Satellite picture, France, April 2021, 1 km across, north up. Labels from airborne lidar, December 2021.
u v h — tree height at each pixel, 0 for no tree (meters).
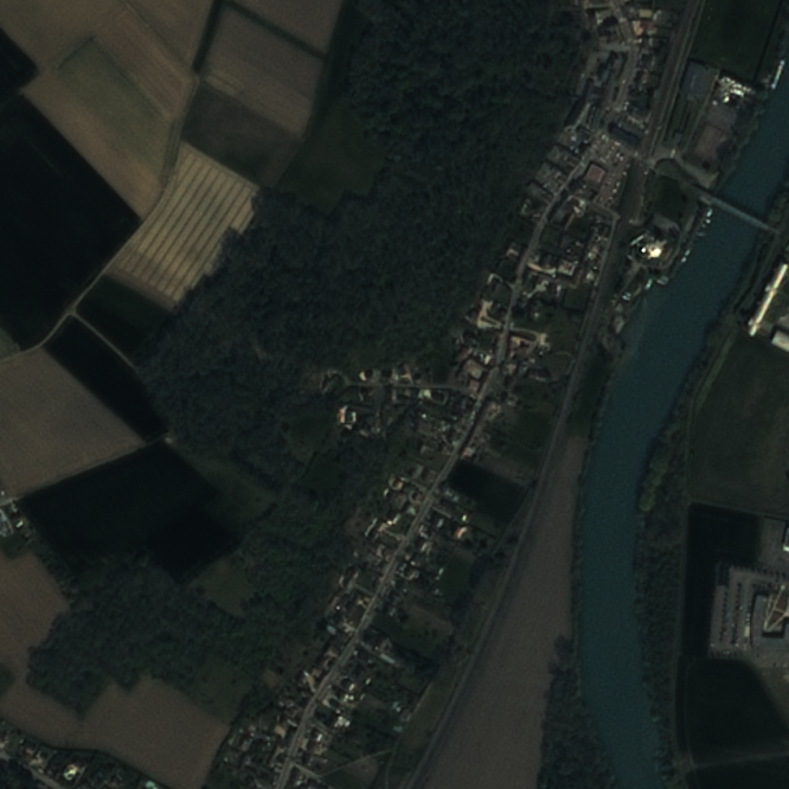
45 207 0
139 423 0
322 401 22
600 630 0
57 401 0
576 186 0
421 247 27
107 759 6
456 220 17
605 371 0
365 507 13
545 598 0
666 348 0
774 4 0
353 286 27
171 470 0
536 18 23
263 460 25
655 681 7
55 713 0
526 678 0
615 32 0
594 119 0
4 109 0
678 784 19
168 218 0
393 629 0
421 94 20
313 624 7
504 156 18
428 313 18
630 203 0
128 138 0
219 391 32
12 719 0
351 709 0
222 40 0
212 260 0
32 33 0
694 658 0
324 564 21
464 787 0
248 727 0
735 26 0
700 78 0
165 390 27
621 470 0
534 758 0
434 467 0
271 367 29
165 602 9
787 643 0
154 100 0
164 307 0
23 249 0
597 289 0
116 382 0
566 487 0
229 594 0
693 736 0
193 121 0
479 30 30
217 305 28
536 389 0
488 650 0
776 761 0
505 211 17
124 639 28
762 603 0
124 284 0
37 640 0
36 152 0
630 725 0
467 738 0
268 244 21
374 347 23
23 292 0
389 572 0
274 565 11
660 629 8
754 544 0
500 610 0
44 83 0
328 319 23
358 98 17
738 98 7
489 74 24
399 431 17
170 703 0
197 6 0
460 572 0
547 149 9
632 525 0
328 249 30
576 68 11
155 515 0
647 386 0
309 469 8
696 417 0
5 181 0
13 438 0
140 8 0
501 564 8
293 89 0
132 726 0
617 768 0
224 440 30
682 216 8
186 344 32
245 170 0
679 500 10
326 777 0
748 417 0
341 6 0
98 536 0
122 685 19
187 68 0
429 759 0
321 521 14
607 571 0
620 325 0
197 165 0
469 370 0
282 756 0
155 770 0
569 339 0
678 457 9
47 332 0
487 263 16
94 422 0
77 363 0
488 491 0
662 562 8
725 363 0
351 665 0
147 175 0
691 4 0
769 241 6
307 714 0
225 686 0
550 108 13
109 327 0
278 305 31
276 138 0
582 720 21
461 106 34
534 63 24
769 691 0
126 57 0
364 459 15
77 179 0
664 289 0
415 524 0
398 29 19
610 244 0
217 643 19
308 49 0
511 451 0
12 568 0
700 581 0
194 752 0
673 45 0
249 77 0
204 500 0
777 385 0
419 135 18
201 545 0
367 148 0
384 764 0
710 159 0
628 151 0
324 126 0
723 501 0
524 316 10
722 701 0
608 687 0
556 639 0
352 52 12
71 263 0
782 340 0
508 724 0
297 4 0
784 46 8
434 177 31
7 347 0
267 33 0
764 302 0
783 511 0
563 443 0
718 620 0
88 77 0
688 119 6
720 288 0
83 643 21
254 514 0
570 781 31
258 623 15
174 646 20
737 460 0
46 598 0
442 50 7
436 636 10
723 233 0
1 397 0
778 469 0
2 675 0
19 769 13
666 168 0
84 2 0
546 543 0
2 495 0
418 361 6
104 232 0
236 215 0
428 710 0
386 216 28
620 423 0
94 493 0
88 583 0
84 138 0
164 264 0
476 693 0
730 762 0
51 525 0
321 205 0
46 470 0
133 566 9
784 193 17
